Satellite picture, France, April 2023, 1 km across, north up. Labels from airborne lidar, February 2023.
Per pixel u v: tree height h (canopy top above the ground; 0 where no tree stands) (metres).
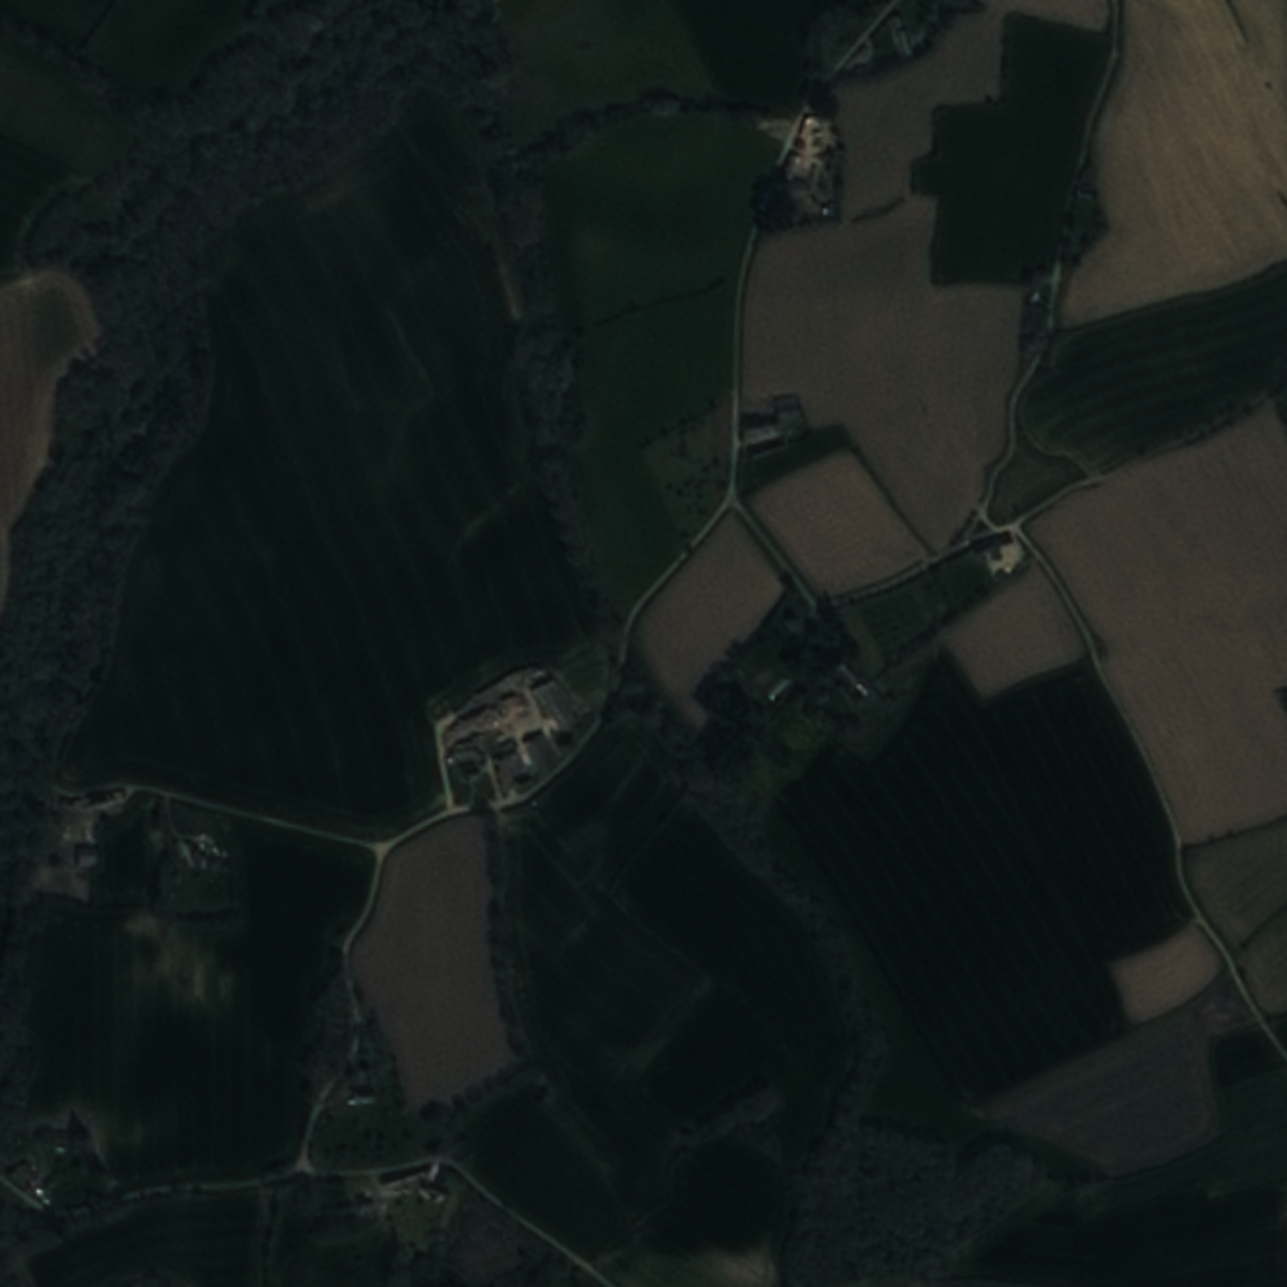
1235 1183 0
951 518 0
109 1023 0
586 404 0
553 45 0
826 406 0
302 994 0
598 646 0
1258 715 0
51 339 0
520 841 0
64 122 0
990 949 0
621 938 0
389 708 0
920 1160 13
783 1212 0
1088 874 0
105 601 20
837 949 14
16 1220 13
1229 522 0
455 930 0
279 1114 0
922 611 0
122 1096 0
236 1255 0
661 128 0
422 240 0
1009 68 9
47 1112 0
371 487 0
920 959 0
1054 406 0
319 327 0
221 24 0
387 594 0
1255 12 0
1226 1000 0
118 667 0
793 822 0
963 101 0
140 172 11
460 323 0
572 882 0
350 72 11
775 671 0
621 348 0
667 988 0
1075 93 0
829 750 0
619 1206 0
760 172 0
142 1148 0
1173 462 0
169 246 20
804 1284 13
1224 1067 0
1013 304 0
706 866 0
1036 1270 0
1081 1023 0
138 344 23
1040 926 0
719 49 0
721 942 0
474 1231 8
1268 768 0
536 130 0
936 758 0
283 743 0
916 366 0
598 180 0
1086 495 0
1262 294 0
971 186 0
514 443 0
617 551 0
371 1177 0
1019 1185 17
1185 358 0
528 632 0
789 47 0
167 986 0
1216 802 0
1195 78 0
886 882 0
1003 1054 0
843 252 0
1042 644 0
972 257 0
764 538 0
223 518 0
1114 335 0
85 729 0
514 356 18
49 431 0
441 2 8
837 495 0
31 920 18
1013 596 0
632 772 0
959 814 0
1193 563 0
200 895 0
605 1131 0
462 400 0
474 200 0
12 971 9
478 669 0
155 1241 0
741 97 0
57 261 7
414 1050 0
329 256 0
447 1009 0
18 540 8
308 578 0
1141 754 0
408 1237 0
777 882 7
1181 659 0
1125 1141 0
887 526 0
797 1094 0
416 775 0
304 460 0
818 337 0
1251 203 0
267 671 0
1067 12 0
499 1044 0
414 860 0
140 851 0
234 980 0
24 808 9
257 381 0
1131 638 0
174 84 0
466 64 19
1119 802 0
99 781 0
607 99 0
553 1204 0
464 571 0
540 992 0
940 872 0
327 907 0
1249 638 0
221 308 0
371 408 0
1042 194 0
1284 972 0
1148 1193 0
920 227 0
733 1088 0
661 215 0
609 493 0
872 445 0
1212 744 0
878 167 0
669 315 0
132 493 28
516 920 0
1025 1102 0
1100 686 0
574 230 0
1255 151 0
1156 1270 0
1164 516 0
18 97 0
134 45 0
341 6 7
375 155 0
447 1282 8
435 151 0
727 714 17
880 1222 14
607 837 0
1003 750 0
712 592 0
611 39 0
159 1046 0
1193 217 0
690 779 19
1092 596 0
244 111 24
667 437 6
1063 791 0
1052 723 0
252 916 0
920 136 0
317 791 0
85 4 0
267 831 0
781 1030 0
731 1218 0
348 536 0
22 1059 9
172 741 0
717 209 0
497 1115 0
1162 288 0
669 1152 0
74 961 0
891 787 0
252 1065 0
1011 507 0
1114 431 0
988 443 0
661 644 0
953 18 11
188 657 0
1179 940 0
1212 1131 0
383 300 0
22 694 7
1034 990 0
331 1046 11
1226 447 0
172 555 0
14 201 0
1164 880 0
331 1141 0
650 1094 0
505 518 0
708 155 0
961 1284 0
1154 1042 0
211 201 21
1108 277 0
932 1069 0
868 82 9
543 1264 10
